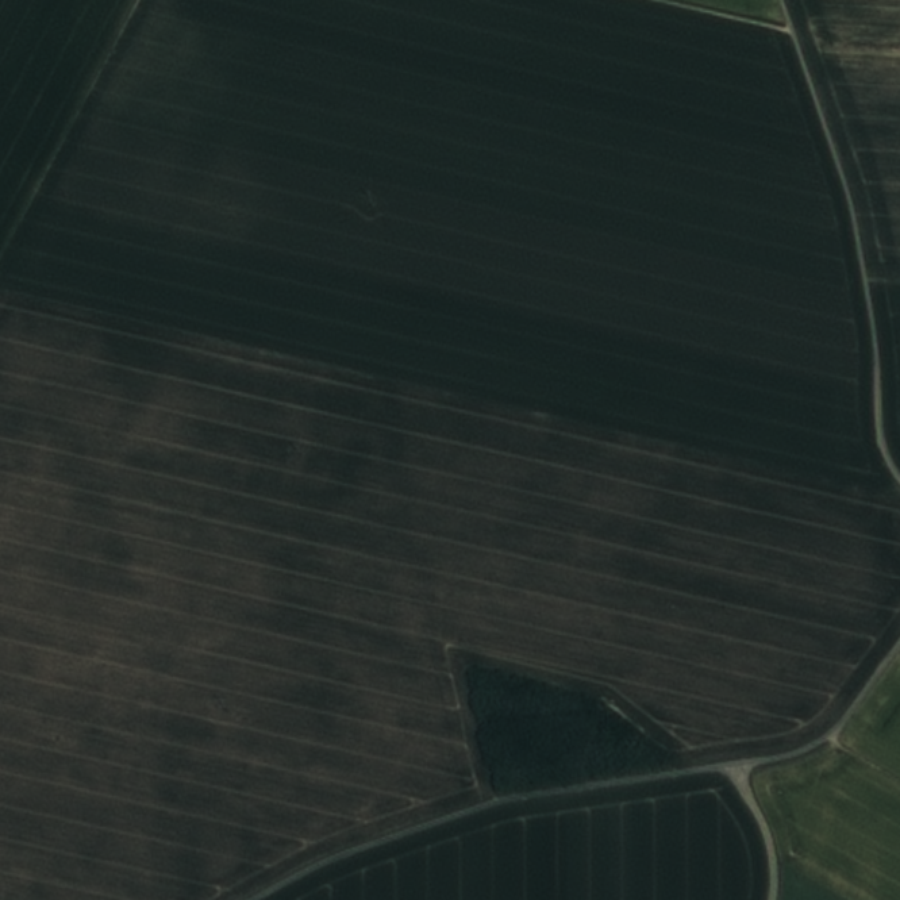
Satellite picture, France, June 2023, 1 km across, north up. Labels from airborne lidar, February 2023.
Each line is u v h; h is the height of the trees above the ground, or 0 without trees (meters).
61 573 0
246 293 0
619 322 0
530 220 0
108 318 0
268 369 0
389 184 0
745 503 0
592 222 0
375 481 0
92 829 0
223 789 0
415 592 0
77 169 0
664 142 0
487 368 0
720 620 0
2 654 0
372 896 0
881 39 0
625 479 0
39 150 0
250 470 0
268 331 0
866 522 0
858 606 0
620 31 0
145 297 0
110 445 0
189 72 0
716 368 0
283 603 0
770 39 0
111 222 0
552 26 0
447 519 0
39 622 0
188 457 0
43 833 0
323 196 0
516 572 0
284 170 0
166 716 0
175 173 0
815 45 0
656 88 0
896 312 0
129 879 0
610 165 0
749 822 0
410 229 0
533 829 0
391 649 0
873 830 0
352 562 0
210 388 0
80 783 0
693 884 0
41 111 0
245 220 0
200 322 0
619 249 0
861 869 0
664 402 0
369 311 0
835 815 0
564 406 0
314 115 0
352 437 0
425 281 0
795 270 0
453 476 0
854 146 0
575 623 0
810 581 0
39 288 0
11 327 0
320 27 0
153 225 0
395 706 0
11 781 0
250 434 0
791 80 0
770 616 0
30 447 0
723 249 0
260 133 0
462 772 0
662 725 0
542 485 0
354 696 0
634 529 0
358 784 0
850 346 0
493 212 0
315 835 0
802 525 0
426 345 0
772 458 0
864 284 0
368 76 0
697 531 0
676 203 0
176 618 0
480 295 0
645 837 0
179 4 0
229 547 0
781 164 0
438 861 0
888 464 0
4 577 0
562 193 0
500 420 0
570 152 0
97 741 0
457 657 0
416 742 0
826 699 0
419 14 0
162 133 0
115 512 0
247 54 0
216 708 0
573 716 11
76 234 0
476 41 0
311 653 0
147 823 0
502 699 15
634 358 0
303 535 0
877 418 0
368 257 0
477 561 0
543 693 10
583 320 0
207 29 0
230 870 0
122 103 0
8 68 0
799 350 0
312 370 0
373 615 0
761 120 0
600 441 0
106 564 0
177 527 0
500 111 0
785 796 0
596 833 0
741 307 0
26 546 0
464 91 0
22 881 0
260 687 0
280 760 0
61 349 0
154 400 0
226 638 0
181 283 0
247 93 0
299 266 0
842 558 0
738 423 0
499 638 0
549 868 0
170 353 0
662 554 0
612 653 0
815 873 0
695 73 0
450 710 0
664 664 0
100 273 0
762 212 0
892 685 0
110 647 0
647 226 0
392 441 0
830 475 0
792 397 0
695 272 0
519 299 0
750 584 0
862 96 0
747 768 0
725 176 0
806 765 0
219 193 0
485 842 0
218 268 0
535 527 0
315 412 0
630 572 0
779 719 0
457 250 0
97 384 0
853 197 0
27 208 0
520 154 0
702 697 0
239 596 0
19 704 0
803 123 0
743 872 0
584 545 0
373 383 0
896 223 0
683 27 0
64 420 0
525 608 0
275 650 0
